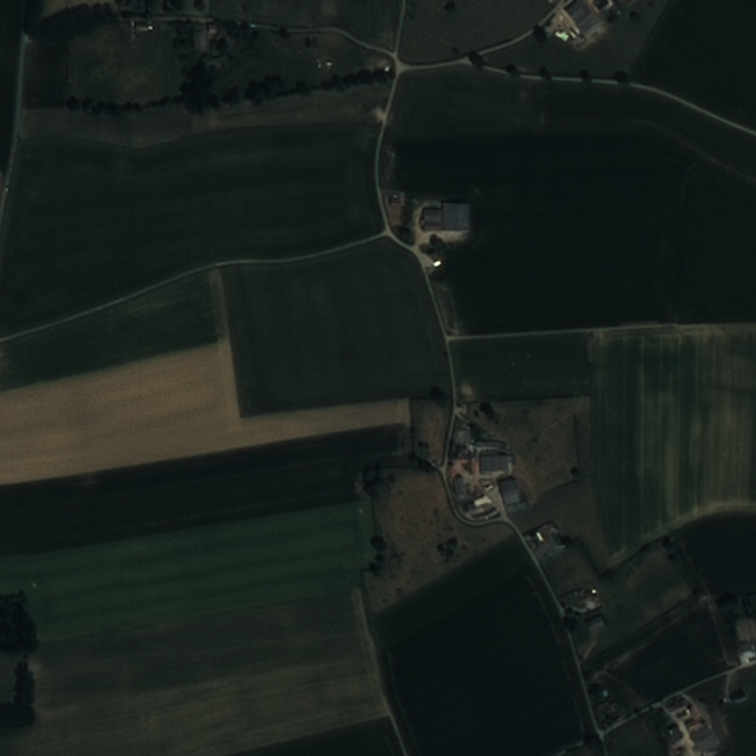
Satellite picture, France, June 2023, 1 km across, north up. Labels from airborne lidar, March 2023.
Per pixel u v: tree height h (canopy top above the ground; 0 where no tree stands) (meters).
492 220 0
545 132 0
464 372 0
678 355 0
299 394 0
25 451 0
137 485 0
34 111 0
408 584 0
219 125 0
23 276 0
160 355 0
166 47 0
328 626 0
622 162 0
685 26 0
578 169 0
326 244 0
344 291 0
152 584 0
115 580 0
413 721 0
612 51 0
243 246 0
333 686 0
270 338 0
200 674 0
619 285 0
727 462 0
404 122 0
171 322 0
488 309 0
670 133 0
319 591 0
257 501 0
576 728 0
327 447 0
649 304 0
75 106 19
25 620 27
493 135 0
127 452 0
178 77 0
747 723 0
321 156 0
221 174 0
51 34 27
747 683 0
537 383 0
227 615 0
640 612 0
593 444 0
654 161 0
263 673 0
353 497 0
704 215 0
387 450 0
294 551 0
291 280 0
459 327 0
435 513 0
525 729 0
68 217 0
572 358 0
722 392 0
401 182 0
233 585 0
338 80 15
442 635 0
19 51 0
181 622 0
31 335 0
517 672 0
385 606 0
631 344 0
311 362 0
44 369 0
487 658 0
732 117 0
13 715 29
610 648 0
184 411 0
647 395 0
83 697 0
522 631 0
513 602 0
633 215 0
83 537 0
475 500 0
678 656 0
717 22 0
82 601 0
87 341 0
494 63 0
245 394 0
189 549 0
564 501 0
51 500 0
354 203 0
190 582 0
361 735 0
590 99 0
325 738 0
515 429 0
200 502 0
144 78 0
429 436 0
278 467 0
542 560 0
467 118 0
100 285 0
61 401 0
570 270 0
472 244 0
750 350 0
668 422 0
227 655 0
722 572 0
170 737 0
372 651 0
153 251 0
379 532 0
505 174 0
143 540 0
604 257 0
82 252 0
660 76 0
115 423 0
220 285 0
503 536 0
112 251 0
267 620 0
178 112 0
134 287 0
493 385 0
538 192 0
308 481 0
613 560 0
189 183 0
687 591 0
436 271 0
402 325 0
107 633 0
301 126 0
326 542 0
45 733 0
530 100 0
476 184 0
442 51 0
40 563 0
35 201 0
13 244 0
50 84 0
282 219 0
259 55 0
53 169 0
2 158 0
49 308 0
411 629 0
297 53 0
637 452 0
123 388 0
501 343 0
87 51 0
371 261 0
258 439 0
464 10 0
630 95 0
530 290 0
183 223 0
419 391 0
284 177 0
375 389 0
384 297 0
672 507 0
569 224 0
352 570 0
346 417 0
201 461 0
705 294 0
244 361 0
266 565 0
